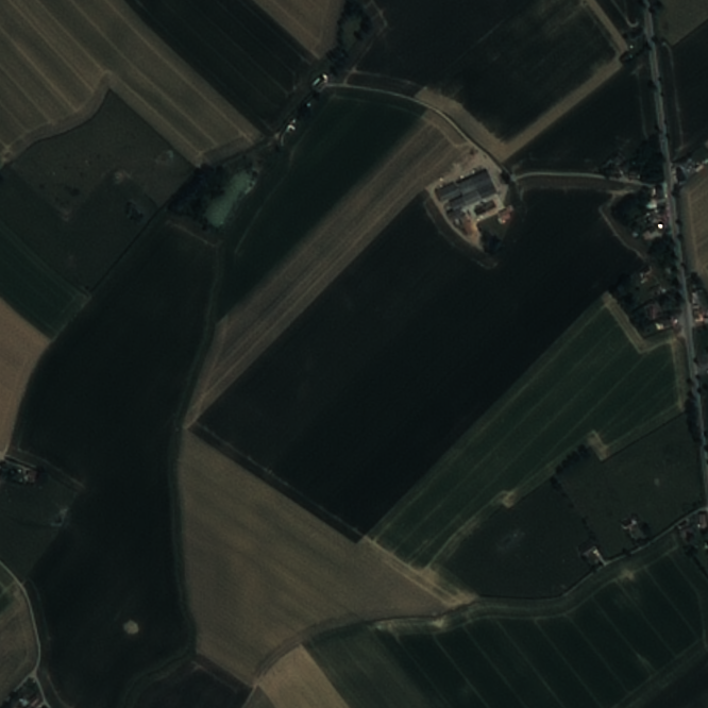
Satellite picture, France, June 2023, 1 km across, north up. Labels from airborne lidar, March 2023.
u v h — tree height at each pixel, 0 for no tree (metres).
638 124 0
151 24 0
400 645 0
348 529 0
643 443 0
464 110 0
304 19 0
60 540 0
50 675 0
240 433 0
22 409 0
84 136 0
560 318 0
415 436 0
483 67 0
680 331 0
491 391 0
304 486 0
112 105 0
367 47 0
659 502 0
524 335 0
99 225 0
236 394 0
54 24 0
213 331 0
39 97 0
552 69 0
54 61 0
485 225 0
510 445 0
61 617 0
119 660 0
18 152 0
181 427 0
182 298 0
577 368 0
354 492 0
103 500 0
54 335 0
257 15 0
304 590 0
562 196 0
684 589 0
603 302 0
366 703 0
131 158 0
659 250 10
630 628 0
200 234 0
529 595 0
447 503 0
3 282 0
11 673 0
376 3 0
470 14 0
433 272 0
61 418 0
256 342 0
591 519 0
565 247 0
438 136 0
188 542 0
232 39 0
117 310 0
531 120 0
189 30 0
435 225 0
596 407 0
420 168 0
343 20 11
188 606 0
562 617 0
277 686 0
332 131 0
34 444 0
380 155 0
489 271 0
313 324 0
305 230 0
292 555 0
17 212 0
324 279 0
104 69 0
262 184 0
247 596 0
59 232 0
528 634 0
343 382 0
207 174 19
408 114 0
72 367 0
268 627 0
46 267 0
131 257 0
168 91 0
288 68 0
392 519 0
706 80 0
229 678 0
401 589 0
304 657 0
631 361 0
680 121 0
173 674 0
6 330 0
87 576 0
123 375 0
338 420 0
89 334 0
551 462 0
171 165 0
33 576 0
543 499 0
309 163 0
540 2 0
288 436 0
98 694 0
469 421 0
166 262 0
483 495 0
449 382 0
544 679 0
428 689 0
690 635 0
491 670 0
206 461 0
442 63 0
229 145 0
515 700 0
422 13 0
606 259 0
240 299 0
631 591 0
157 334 0
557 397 0
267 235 0
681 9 0
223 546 0
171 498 0
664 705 0
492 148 0
